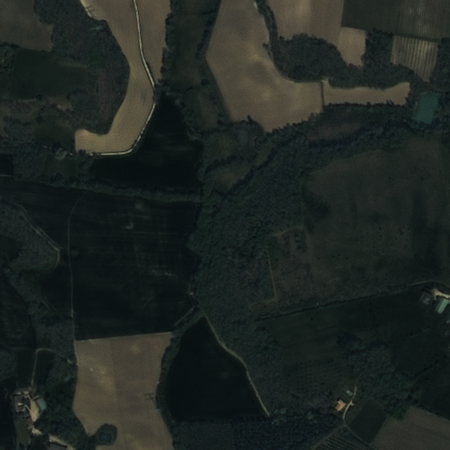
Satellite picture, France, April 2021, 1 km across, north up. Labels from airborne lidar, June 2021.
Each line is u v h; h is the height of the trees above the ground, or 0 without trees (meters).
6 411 0
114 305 0
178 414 0
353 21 0
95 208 0
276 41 12
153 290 0
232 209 25
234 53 0
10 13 0
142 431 0
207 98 0
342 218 0
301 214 19
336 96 0
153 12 0
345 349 22
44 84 0
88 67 14
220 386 0
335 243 0
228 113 0
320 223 0
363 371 19
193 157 0
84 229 0
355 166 0
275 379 14
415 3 0
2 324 0
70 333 24
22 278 18
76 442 15
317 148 19
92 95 15
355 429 0
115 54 15
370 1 0
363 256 0
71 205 0
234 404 0
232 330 20
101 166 0
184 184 0
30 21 0
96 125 14
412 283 0
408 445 0
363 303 0
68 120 17
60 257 0
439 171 0
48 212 0
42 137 0
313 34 0
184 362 0
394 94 0
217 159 0
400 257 0
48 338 17
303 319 0
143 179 0
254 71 0
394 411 23
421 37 0
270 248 10
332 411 14
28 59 0
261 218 21
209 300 21
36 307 19
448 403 0
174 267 0
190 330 0
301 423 19
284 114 0
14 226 17
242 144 9
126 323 0
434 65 0
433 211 0
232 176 0
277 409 21
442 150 0
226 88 0
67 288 0
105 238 0
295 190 18
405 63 0
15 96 0
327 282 0
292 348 0
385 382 24
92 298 0
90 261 0
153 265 0
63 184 22
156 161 0
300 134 17
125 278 0
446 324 0
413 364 0
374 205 0
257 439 18
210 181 14
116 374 0
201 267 15
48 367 0
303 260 0
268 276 18
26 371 0
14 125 21
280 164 20
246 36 0
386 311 0
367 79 12
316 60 10
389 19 0
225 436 16
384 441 0
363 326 0
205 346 0
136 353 0
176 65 0
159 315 0
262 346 17
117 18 0
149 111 0
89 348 0
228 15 0
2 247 0
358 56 0
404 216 0
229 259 24
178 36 0
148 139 0
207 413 0
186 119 13
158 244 0
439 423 0
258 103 0
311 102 0
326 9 0
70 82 0
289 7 0
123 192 11
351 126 0
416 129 11
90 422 0
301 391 7
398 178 0
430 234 0
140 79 0
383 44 20
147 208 0
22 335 0
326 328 0
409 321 0
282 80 0
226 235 24
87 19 13
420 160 0
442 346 0
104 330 0
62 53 14
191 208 0
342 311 0
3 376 19
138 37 0
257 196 20
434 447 0
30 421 0
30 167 27
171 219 0
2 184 0
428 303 0
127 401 0
